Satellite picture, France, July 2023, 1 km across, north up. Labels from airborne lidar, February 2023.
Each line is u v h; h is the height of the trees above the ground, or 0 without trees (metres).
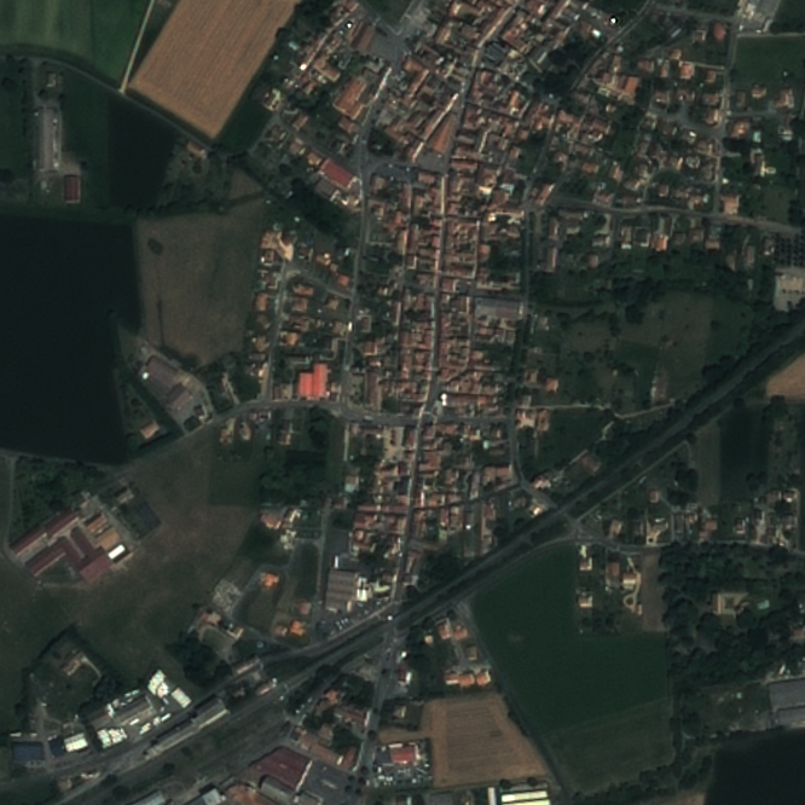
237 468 0
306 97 10
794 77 6
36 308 0
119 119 0
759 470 0
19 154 0
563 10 0
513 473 0
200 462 0
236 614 0
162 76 0
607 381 0
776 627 12
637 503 0
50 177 0
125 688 19
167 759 0
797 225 15
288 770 0
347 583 0
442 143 0
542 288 15
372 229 0
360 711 0
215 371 6
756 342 9
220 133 0
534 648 0
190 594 0
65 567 0
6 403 0
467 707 0
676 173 0
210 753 0
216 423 0
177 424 12
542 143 8
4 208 0
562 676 0
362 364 7
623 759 0
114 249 0
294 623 0
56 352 0
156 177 0
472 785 0
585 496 0
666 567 15
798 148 14
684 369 0
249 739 0
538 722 0
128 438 7
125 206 0
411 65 0
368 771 11
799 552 0
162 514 0
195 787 0
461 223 0
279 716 0
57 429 0
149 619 0
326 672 13
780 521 0
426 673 9
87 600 0
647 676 0
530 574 0
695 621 19
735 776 0
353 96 0
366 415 0
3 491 0
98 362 0
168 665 0
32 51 0
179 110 0
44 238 0
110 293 0
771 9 0
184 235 0
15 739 0
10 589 0
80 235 0
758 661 13
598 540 0
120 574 0
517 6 0
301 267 0
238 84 0
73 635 8
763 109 0
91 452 0
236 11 0
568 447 0
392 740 0
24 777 0
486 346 6
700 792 0
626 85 0
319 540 0
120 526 0
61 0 0
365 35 0
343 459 0
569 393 7
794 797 0
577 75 18
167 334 0
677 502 12
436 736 0
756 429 0
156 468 0
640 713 0
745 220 0
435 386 0
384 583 10
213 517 0
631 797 8
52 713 0
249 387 0
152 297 0
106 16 0
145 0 0
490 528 0
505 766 0
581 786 0
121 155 0
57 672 0
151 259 0
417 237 0
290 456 7
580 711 0
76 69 0
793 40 0
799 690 0
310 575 0
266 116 0
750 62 0
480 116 0
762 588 14
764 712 0
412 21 0
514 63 0
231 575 0
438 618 0
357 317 0
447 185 0
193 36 0
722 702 0
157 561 0
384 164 0
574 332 0
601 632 10
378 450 0
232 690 7
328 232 10
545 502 0
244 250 0
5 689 0
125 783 0
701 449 0
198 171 9
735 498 0
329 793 0
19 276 0
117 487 0
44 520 0
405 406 0
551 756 0
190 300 0
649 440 8
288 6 0
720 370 16
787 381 0
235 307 0
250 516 0
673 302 0
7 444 0
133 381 12
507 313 0
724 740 13
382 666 0
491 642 0
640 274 0
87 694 0
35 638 0
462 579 0
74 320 0
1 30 0
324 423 14
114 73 0
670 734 0
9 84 12
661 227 0
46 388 0
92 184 0
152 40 0
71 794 0
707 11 7
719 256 16
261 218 0
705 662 15
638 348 0
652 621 0
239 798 0
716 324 8
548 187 0
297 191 12
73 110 0
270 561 0
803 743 0
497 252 7
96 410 0
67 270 0
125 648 0
